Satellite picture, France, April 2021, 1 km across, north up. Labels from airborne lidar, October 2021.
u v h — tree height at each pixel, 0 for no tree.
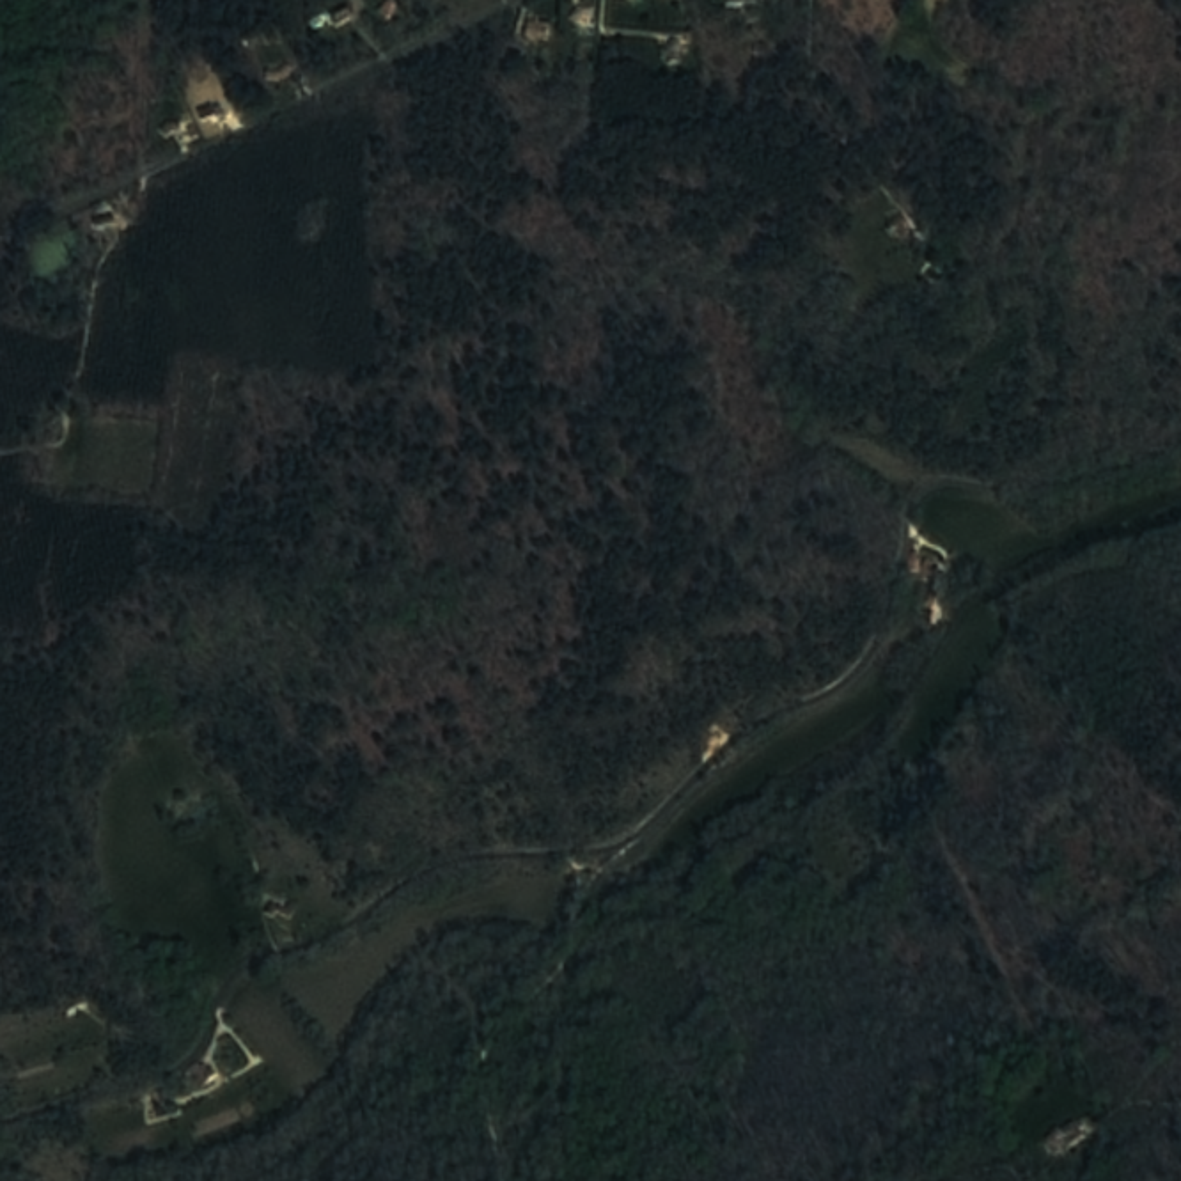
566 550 8
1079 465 20
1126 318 12
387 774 14
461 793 9
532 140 10
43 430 10
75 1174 7
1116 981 25
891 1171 16
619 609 16
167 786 0
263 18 14
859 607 21
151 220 7
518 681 7
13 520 7
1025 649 15
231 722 9
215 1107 0
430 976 18
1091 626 7
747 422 9
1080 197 8
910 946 12
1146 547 19
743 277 28
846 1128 15
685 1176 18
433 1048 12
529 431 13
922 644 26
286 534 15
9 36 26
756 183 25
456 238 13
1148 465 18
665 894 26
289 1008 10
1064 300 16
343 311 6
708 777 12
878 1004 16
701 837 26
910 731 0
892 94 14
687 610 19
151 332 8
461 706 8
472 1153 22
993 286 19
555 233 9
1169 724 9
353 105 5
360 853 14
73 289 10
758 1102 15
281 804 11
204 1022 18
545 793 14
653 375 26
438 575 18
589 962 14
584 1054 21
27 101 23
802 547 9
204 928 0
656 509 11
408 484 15
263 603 17
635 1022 18
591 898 11
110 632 13
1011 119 11
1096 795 17
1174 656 11
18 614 6
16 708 21
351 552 21
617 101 12
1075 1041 13
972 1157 19
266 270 7
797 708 17
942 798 21
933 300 23
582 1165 21
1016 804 15
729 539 13
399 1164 20
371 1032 25
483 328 10
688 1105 16
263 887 12
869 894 19
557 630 10
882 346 22
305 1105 14
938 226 20
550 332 8
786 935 23
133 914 0
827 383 22
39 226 26
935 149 16
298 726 16
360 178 6
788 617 27
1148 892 8
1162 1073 11
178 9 17
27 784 20
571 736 15
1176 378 24
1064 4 12
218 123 0
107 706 14
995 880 19
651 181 23
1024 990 8
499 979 17
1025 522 23
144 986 21
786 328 14
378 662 11
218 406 0
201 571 17
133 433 0
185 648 23
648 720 11
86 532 8
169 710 15
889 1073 17
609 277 13
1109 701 10
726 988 16
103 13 17
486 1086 18
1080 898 7
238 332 6
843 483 16
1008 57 12
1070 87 14
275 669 14
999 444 20
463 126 17
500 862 15
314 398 8
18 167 16
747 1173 17
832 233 14
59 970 25
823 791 18
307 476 14
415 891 21
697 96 14
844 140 7
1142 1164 16
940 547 0
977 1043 11
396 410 19
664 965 8
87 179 10
